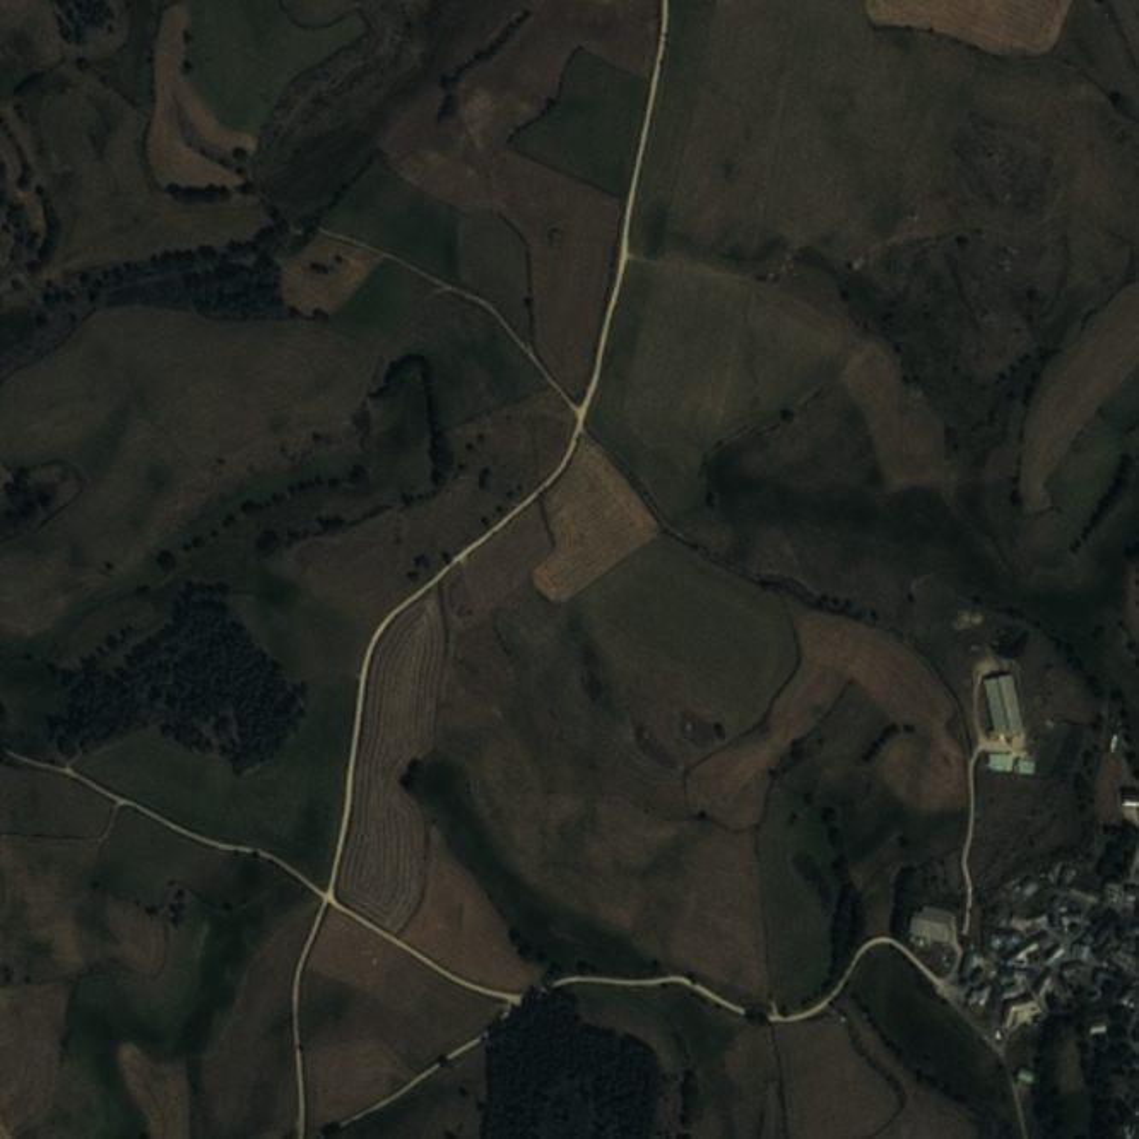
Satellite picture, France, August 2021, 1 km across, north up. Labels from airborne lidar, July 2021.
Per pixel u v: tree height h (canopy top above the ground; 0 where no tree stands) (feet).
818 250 0
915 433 0
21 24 0
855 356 0
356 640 0
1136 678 0
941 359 0
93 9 58
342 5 0
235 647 67
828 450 0
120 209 0
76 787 0
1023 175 0
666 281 0
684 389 0
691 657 0
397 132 0
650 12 0
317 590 0
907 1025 0
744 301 0
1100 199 0
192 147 0
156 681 28
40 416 0
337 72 0
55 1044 0
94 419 0
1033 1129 0
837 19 0
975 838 0
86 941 0
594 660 0
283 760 0
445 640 0
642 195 0
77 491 0
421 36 0
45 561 0
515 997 0
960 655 0
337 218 0
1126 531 0
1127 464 39
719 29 0
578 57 0
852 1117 0
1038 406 0
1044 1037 22
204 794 0
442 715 0
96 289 25
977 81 0
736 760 0
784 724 0
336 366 0
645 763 0
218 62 0
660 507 0
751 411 0
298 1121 0
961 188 0
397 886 0
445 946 0
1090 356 0
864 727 0
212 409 0
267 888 0
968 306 0
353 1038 0
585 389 0
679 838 0
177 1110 0
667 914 0
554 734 0
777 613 0
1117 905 0
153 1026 0
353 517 0
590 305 0
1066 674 0
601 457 0
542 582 0
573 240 0
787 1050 0
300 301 0
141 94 0
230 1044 0
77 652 0
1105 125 0
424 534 0
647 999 0
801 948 0
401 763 0
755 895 0
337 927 0
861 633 0
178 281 0
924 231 0
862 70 0
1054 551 0
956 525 0
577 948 0
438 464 55
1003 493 0
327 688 0
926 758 0
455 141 0
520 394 0
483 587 0
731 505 0
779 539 0
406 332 0
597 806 0
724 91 0
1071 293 0
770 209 0
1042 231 0
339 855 0
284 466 0
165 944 0
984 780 0
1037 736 0
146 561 0
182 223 0
